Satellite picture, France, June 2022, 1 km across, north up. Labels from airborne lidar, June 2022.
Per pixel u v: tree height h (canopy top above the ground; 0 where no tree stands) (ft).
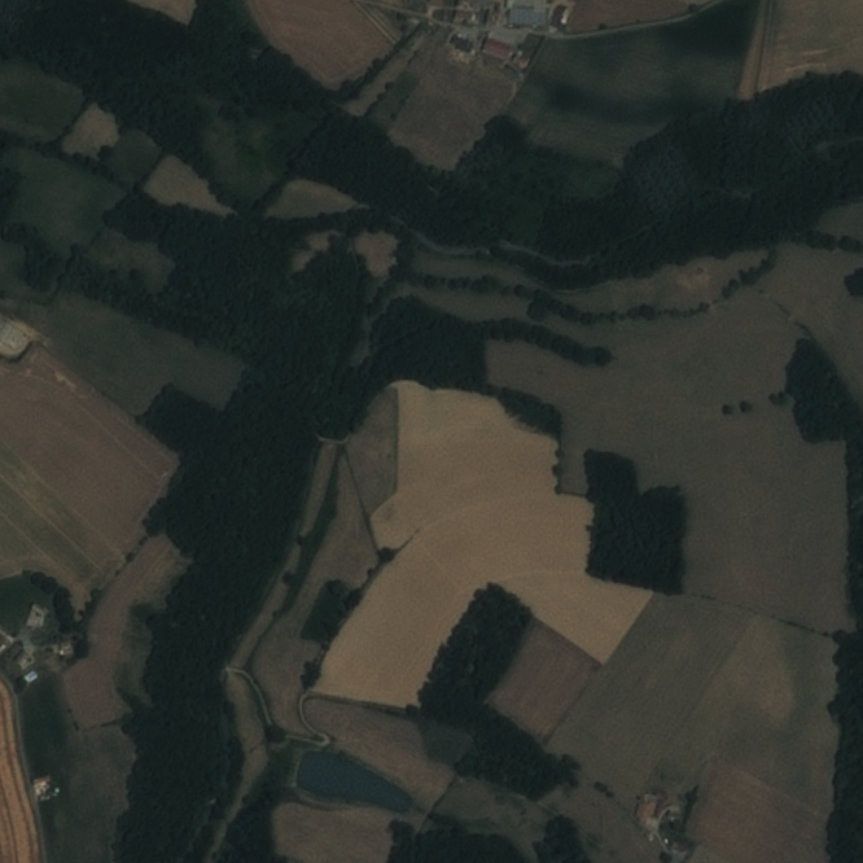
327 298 62
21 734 0
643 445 0
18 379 0
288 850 0
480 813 0
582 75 0
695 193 67
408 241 40
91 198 0
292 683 0
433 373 74
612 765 0
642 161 54
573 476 0
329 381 58
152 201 56
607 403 0
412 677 0
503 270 0
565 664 0
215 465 53
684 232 65
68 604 55
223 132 0
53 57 87
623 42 0
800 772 0
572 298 0
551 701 0
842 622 0
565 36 0
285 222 45
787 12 0
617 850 0
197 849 39
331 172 89
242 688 0
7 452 0
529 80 0
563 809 0
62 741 0
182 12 0
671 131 38
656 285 0
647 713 0
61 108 0
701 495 0
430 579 0
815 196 76
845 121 45
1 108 0
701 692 0
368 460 0
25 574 29
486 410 0
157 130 79
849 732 39
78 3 52
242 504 67
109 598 0
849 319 0
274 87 73
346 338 40
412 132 0
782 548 0
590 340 0
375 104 26
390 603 0
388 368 69
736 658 0
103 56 56
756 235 59
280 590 0
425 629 0
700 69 0
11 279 0
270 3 0
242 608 75
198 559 60
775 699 0
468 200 44
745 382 0
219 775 62
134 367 0
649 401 0
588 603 0
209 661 70
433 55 0
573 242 26
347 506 0
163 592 0
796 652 0
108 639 0
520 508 0
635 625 0
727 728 0
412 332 61
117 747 0
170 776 55
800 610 0
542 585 0
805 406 79
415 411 0
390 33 0
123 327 0
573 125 0
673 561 27
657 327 0
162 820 61
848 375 0
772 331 0
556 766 31
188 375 0
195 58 46
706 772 0
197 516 52
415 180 67
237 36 30
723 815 0
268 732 52
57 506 0
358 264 40
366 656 0
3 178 33
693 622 0
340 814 0
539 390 0
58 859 0
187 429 64
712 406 0
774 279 0
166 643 53
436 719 42
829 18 0
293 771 0
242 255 61
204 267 81
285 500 73
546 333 56
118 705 0
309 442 65
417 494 0
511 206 28
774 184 66
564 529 0
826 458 0
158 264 0
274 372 60
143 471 0
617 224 43
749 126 50
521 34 0
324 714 0
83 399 0
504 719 39
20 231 39
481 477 0
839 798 34
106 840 0
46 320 0
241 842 107
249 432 68
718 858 0
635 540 53
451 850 56
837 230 0
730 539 0
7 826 0
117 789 0
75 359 0
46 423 0
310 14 0
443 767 0
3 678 0
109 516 0
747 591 0
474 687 39
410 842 53
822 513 0
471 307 0
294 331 57
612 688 0
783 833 0
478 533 0
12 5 73
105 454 0
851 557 25
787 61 0
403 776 0
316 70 0
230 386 0
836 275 0
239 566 58
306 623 0
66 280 54
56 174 0
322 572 0
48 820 0
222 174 0
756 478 0
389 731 0
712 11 0
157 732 66
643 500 71
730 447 0
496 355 0
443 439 0
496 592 69
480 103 0
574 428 0
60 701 0
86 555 0
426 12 0
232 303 81
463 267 0
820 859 0
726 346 0
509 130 40
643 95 0
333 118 68
